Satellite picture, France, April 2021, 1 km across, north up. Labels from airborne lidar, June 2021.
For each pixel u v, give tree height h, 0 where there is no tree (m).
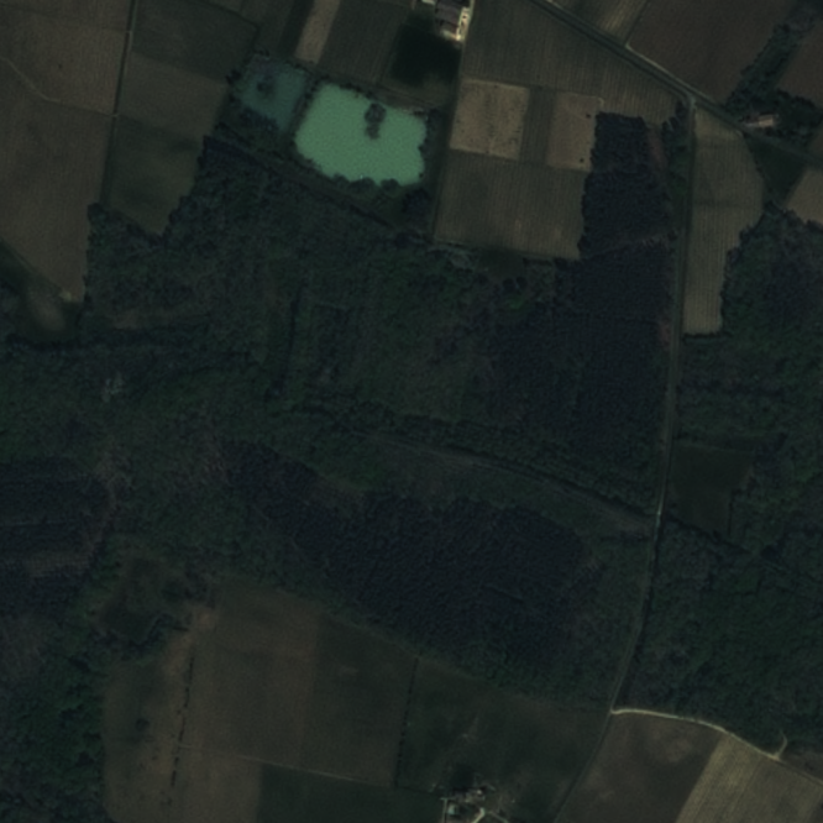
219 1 0
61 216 0
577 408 7
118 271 21
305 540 19
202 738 0
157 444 17
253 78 0
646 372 18
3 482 18
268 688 0
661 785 0
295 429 21
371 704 0
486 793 7
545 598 18
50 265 0
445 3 0
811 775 0
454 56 0
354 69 0
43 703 23
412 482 14
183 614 0
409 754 0
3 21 0
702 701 22
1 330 25
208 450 19
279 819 0
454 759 0
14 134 0
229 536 24
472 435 17
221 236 23
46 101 0
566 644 19
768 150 0
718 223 0
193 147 0
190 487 19
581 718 0
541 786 0
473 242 0
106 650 23
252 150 16
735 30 0
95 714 22
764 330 29
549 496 20
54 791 21
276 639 0
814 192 0
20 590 17
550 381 19
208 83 0
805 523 12
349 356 16
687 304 0
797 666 19
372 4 0
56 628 17
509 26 0
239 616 0
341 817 0
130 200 0
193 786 0
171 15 0
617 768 0
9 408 26
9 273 0
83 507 23
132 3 0
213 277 16
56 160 0
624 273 19
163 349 23
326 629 0
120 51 0
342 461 24
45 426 18
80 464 17
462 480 16
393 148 0
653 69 0
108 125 0
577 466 15
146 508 23
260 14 0
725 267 0
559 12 0
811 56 0
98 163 0
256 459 22
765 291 21
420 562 23
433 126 8
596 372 16
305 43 0
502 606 18
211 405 16
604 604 18
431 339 18
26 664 15
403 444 28
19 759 20
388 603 20
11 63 0
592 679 21
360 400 18
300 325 22
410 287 22
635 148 22
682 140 22
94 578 17
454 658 18
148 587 0
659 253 14
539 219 0
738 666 22
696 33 0
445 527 18
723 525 0
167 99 0
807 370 21
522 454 21
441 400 17
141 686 0
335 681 0
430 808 0
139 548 25
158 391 20
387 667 0
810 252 18
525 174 0
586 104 0
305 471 22
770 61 0
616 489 18
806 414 30
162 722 0
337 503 16
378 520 22
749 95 10
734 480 0
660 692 12
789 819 0
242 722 0
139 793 0
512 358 17
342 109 0
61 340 0
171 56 0
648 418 16
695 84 0
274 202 9
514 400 22
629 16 0
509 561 21
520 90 0
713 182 0
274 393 17
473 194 0
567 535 20
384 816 0
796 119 0
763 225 9
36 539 22
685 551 26
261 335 24
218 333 18
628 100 0
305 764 0
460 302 14
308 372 12
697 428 13
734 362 12
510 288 13
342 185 17
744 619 19
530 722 0
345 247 6
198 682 0
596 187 19
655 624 22
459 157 0
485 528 22
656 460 9
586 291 19
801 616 18
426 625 21
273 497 21
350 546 22
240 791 0
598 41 0
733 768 0
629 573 21
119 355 21
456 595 21
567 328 18
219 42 0
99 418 28
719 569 22
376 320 18
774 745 19
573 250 0
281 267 9
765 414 26
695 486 0
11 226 0
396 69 0
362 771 0
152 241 16
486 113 0
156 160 0
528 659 21
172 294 21
